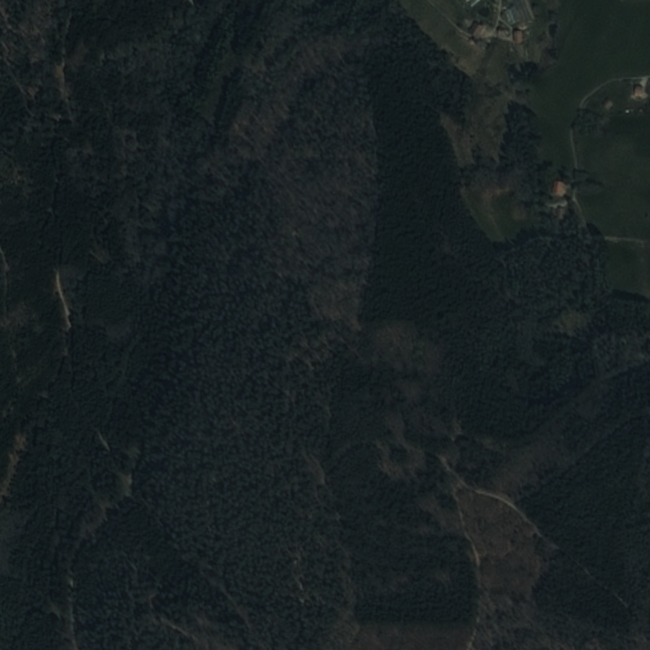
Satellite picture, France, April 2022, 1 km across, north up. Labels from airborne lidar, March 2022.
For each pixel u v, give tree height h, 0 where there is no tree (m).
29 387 17
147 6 15
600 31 0
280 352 22
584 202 0
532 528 11
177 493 31
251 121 27
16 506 18
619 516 12
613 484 11
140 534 10
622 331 20
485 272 29
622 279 0
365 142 25
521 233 0
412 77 28
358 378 22
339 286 19
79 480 31
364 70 23
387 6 22
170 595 14
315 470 22
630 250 0
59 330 11
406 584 20
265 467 24
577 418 14
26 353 10
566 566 14
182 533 28
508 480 15
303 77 33
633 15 0
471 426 25
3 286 29
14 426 13
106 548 15
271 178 26
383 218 16
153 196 23
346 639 20
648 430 19
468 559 24
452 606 24
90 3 11
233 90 23
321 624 26
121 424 24
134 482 8
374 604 25
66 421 24
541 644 19
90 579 13
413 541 20
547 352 22
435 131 29
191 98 21
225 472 30
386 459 17
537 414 28
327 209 25
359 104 26
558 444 18
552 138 0
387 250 27
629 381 21
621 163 0
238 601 39
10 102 21
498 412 29
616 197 0
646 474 14
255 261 18
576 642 21
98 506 29
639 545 14
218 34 15
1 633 29
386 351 20
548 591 15
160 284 28
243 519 27
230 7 13
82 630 10
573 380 10
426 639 13
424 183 26
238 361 28
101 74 15
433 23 0
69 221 28
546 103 0
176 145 20
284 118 30
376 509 25
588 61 0
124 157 27
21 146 13
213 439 24
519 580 9
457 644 12
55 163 8
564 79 0
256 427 24
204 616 31
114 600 13
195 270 32
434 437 16
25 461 19
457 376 25
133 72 18
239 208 27
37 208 17
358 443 19
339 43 35
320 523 20
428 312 27
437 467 25
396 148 22
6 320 12
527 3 0
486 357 24
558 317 18
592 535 13
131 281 28
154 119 14
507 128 0
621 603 18
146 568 7
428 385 18
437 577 18
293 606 23
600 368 26
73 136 15
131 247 22
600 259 12
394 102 24
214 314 26
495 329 29
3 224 15
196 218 34
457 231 22
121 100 11
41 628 33
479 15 0
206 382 27
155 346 28
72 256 20
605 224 0
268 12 23
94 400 24
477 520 5
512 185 33
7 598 30
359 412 18
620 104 0
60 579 27
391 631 12
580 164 0
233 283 26
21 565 23
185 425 28
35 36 33
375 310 24
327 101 29
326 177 27
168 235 13
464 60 0
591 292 29
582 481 13
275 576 25
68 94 18
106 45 22
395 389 23
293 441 21
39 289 14
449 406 20
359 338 19
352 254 12
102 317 24
